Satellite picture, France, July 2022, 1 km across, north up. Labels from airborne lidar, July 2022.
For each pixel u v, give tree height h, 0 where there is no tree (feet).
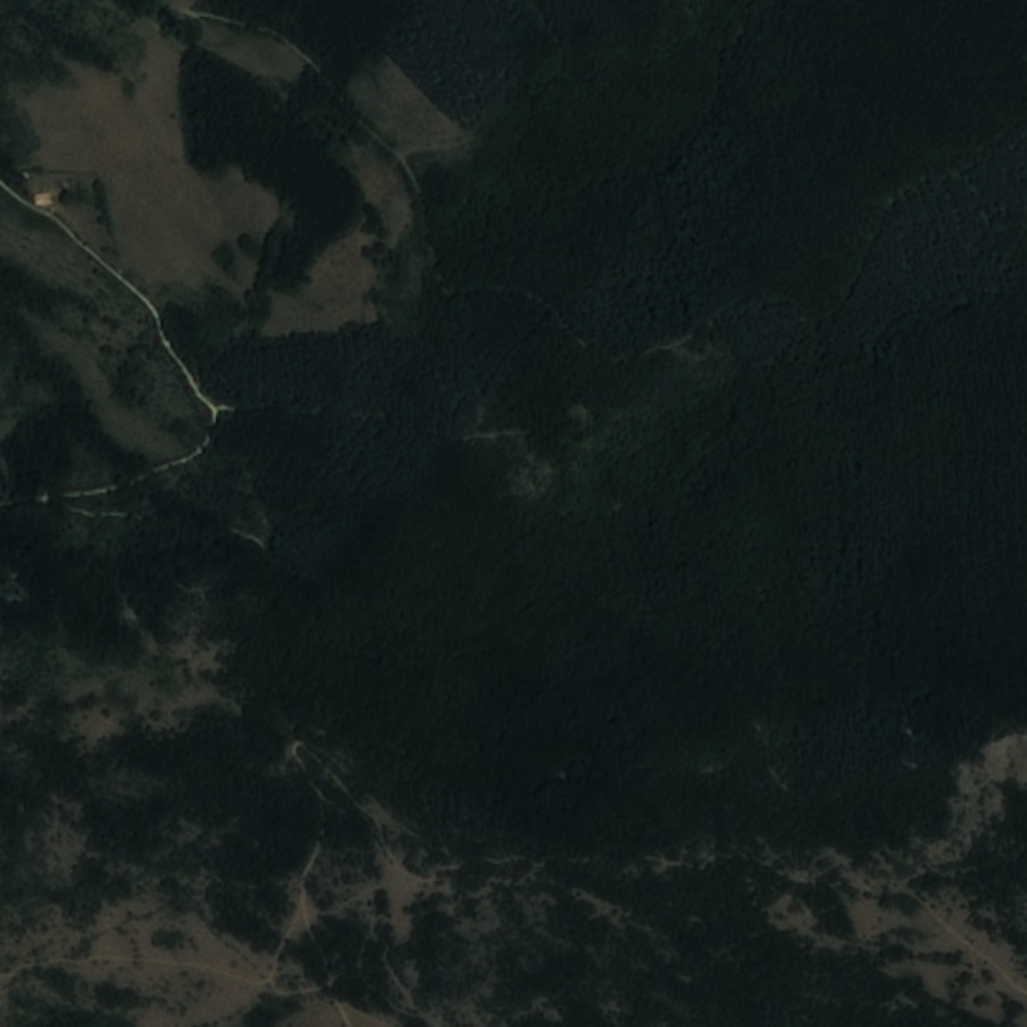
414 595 66
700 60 58
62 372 19
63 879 0
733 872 19
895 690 31
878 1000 22
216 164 22
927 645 56
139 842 22
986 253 50
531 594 48
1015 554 54
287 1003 19
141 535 21
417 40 32
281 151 31
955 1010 31
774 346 62
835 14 52
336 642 52
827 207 42
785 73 46
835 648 40
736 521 48
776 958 53
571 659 39
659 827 30
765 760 20
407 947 31
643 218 57
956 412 54
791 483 41
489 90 43
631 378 32
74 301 21
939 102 45
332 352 48
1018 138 46
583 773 22
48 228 0
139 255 0
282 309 0
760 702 42
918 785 21
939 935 0
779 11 48
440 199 37
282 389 54
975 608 51
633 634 41
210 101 38
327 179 30
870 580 45
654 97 66
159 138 0
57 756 21
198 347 24
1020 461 60
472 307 50
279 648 40
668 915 28
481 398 32
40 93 0
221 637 21
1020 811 19
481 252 39
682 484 45
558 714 58
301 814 28
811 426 43
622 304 63
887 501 47
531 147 62
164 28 39
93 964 0
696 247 78
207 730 30
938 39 45
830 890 20
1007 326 59
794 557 46
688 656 47
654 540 63
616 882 20
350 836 25
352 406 49
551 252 55
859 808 25
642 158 50
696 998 24
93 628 23
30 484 29
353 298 0
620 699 24
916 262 58
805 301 58
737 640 39
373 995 22
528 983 25
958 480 53
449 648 49
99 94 0
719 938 23
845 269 60
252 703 28
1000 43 48
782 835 20
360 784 25
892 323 56
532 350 51
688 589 53
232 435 36
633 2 55
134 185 0
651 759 21
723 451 54
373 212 33
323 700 56
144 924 0
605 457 31
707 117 56
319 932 18
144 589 34
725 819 34
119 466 36
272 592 50
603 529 37
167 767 24
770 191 53
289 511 26
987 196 61
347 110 32
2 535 27
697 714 40
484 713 59
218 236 0
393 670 84
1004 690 42
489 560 56
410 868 18
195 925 0
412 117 0
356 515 59
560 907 19
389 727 62
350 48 31
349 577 59
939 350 63
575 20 60
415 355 53
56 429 49
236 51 0
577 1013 21
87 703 21
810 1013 37
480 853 24
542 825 46
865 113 49
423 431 38
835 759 20
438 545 63
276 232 26
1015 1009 29
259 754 25
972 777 0
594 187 62
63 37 28
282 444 33
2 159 19
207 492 20
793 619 41
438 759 73
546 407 33
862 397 55
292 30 32
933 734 27
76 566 28
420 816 27
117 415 0
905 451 48
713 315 49
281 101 25
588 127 60
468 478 57
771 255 47
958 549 46
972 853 22
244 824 21
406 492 51
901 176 52
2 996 0
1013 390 64
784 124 50
